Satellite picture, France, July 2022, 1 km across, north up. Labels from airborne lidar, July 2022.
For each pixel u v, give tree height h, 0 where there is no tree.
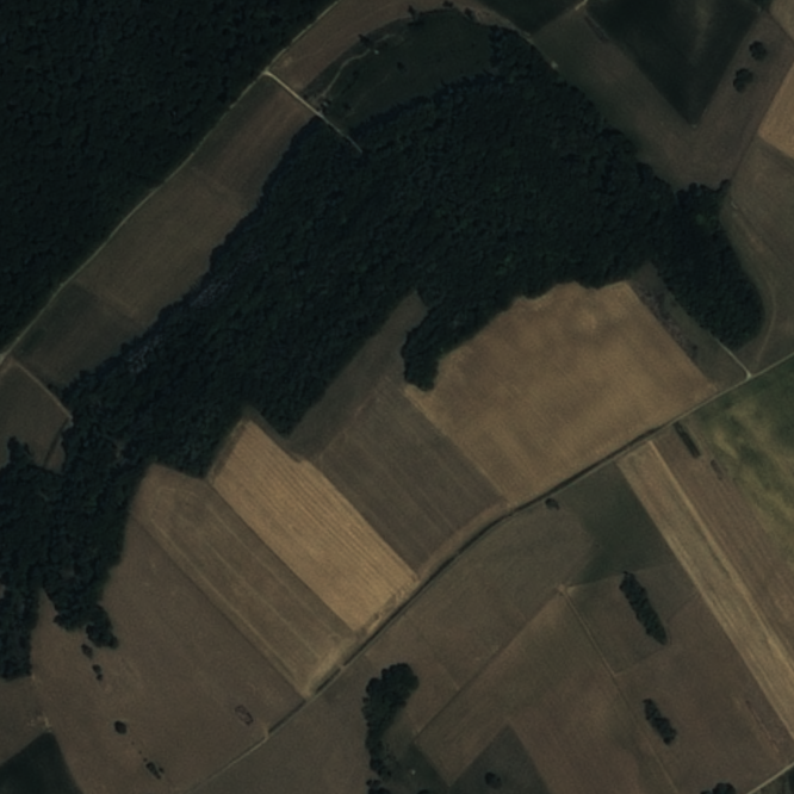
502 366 0
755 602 0
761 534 0
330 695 0
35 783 0
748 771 0
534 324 0
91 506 18
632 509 0
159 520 0
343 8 0
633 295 0
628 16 0
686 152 0
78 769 0
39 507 24
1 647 13
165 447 15
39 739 0
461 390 0
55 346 0
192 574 0
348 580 0
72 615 23
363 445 0
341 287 15
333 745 0
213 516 0
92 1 27
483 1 0
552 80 22
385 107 0
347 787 0
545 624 0
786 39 0
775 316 0
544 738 0
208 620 0
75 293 0
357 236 24
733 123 0
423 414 0
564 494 0
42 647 0
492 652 0
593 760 0
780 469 0
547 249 20
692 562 0
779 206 0
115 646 14
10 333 25
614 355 0
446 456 0
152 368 20
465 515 0
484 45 0
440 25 0
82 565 23
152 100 19
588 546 0
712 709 0
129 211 0
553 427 0
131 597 0
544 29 0
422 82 0
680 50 0
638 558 0
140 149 27
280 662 0
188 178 0
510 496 0
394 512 0
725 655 0
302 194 26
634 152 17
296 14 23
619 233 26
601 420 0
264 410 11
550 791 0
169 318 24
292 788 0
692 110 0
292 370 18
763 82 0
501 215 17
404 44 0
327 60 0
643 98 0
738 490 0
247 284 24
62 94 26
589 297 0
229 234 0
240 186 0
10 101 28
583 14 0
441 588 0
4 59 29
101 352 0
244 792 0
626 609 0
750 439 0
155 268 0
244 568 0
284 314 20
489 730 0
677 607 0
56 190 28
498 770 0
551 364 0
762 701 0
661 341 0
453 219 19
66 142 29
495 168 25
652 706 12
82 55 28
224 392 22
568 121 30
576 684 0
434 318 11
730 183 6
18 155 26
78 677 0
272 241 25
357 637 0
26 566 19
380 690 17
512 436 0
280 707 0
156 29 21
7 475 18
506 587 0
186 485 0
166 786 0
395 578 0
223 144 0
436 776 0
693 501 0
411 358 12
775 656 0
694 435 0
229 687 0
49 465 0
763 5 7
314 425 0
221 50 29
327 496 0
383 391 0
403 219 19
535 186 19
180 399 23
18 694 0
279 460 0
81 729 0
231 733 0
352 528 0
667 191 18
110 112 22
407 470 0
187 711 0
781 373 0
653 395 0
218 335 23
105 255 0
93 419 26
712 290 24
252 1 27
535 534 0
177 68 27
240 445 0
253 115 0
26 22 29
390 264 23
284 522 0
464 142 23
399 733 0
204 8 30
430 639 0
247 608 0
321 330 15
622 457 0
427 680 0
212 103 25
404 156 26
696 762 0
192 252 0
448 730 0
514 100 22
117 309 0
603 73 0
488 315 14
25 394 0
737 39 0
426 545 0
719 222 11
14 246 26
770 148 0
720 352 0
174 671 0
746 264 0
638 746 0
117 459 28
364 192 22
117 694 0
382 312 17
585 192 22
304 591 0
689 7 0
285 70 0
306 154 25
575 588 0
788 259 0
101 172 27
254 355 21
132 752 0
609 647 0
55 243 30
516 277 19
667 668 0
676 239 25
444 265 18
